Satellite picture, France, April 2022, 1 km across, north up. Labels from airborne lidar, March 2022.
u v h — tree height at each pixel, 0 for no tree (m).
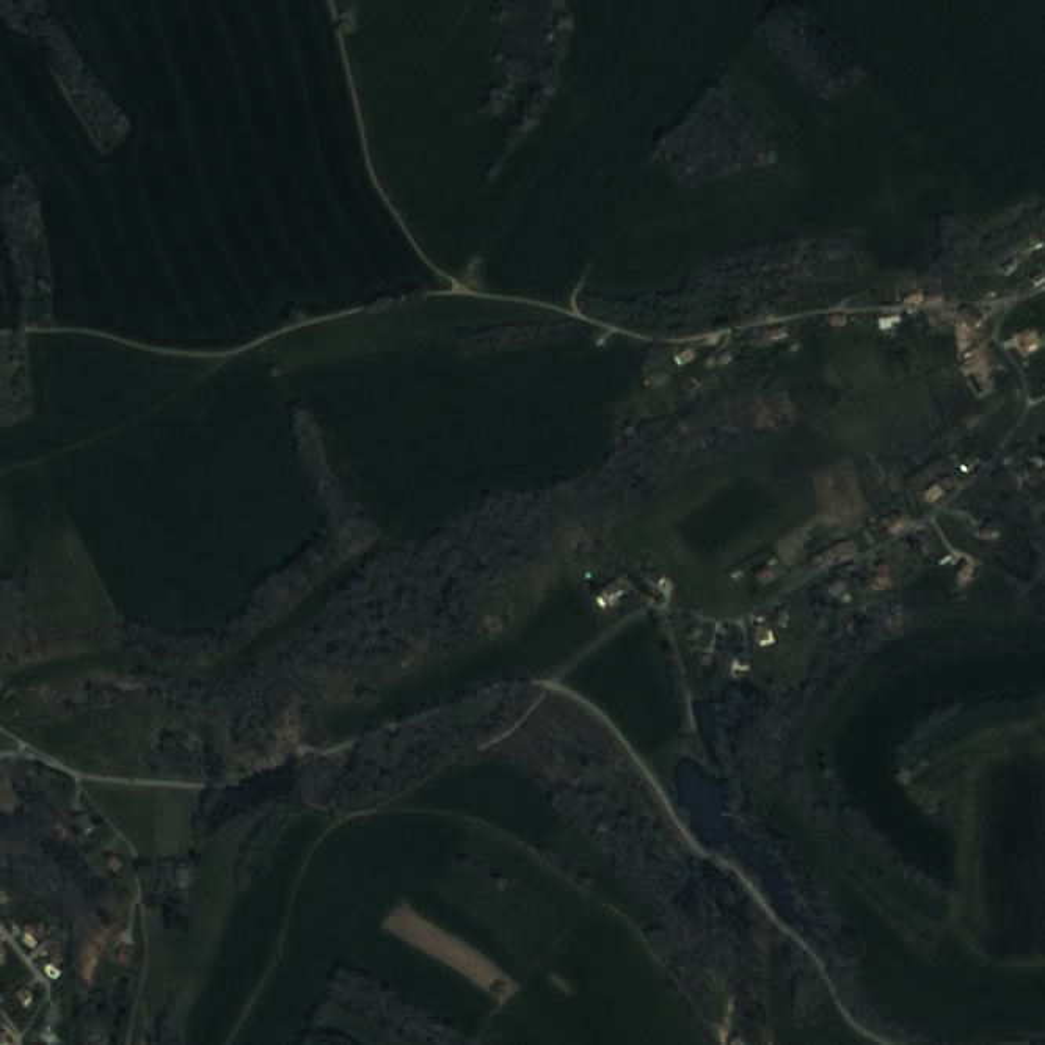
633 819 12
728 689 18
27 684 0
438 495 0
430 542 8
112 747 0
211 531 0
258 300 0
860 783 0
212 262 0
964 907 0
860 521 0
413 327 0
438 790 0
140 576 0
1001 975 0
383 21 0
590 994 0
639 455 16
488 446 0
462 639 10
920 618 0
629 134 0
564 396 0
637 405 0
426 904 0
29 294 17
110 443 0
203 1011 0
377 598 15
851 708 0
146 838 0
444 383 0
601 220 0
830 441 0
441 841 0
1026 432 0
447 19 0
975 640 0
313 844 0
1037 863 0
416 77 0
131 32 0
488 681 0
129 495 0
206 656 22
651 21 0
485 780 0
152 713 0
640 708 0
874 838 19
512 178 0
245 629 18
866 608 0
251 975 0
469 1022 0
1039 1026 0
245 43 0
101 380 0
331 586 0
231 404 0
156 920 0
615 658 0
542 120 14
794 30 18
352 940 0
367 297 0
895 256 0
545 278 0
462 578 6
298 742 0
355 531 21
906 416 0
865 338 0
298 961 0
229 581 0
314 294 0
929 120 0
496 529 11
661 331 12
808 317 0
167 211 0
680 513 0
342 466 0
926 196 0
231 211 0
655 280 0
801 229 0
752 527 0
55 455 0
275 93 0
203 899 0
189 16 0
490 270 0
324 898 0
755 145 19
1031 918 0
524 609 0
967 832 0
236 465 0
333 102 0
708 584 0
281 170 0
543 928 0
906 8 0
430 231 0
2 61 0
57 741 0
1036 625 0
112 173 0
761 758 26
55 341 0
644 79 0
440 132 0
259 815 15
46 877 20
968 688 0
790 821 0
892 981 0
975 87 0
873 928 0
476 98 0
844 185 0
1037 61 0
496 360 0
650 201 0
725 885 29
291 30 0
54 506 0
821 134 0
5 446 0
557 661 0
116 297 0
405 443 0
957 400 0
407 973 0
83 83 17
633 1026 0
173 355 0
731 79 0
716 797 0
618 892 0
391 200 8
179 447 0
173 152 0
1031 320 0
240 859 0
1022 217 0
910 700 0
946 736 7
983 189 0
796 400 0
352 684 0
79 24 0
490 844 0
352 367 0
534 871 0
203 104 0
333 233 0
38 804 18
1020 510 22
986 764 0
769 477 0
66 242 0
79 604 0
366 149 0
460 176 0
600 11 0
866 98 0
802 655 0
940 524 6
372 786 9
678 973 6
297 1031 0
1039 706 8
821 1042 0
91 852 8
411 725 15
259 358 0
